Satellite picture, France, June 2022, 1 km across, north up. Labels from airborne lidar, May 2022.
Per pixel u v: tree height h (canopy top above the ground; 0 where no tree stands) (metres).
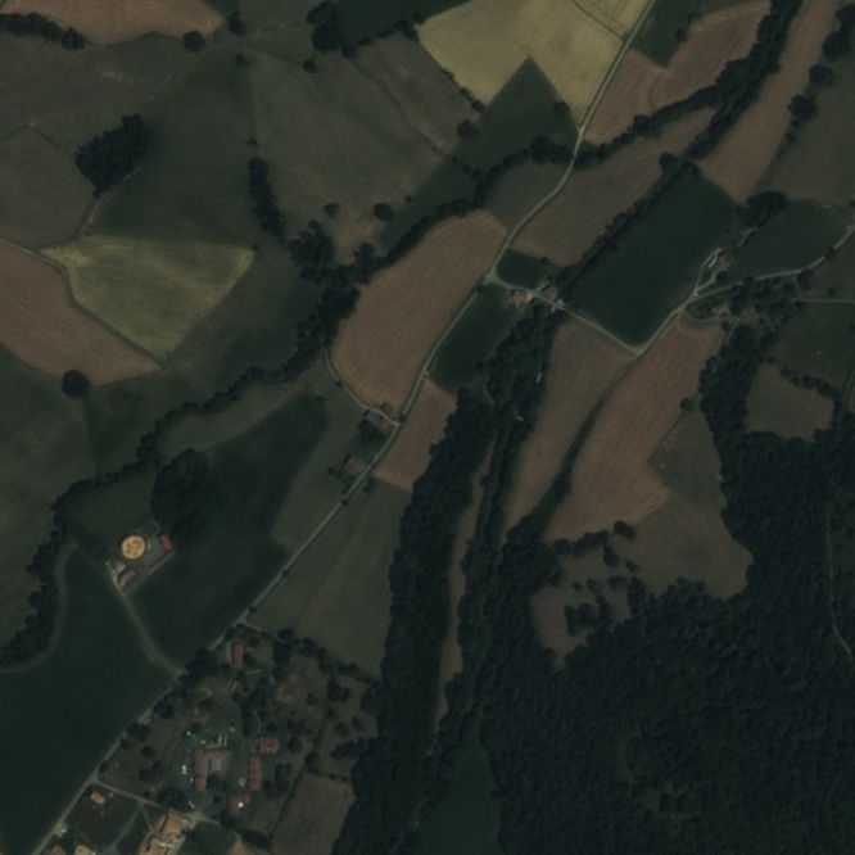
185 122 0
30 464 0
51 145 0
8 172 0
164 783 0
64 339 0
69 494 10
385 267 9
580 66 0
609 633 17
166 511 12
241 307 0
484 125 0
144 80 0
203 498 13
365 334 0
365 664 0
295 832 0
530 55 0
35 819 0
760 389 0
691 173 21
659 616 17
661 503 0
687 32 9
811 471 14
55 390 0
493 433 16
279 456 0
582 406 0
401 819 16
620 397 0
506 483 20
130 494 0
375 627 0
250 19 0
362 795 21
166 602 0
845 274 0
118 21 0
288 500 0
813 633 17
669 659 19
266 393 0
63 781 0
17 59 0
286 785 16
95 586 0
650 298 0
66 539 10
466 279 0
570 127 0
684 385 0
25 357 0
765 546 23
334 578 0
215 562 0
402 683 20
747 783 20
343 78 0
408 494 0
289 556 0
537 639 10
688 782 14
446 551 21
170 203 0
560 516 0
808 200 0
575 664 15
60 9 0
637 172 0
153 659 0
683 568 0
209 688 0
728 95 11
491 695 22
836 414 9
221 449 0
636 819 15
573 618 15
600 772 11
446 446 19
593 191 0
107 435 0
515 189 0
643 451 0
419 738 24
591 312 0
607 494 0
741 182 0
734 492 19
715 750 12
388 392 0
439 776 24
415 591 21
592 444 0
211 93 0
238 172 0
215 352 0
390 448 0
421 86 0
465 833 0
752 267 0
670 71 0
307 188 0
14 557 0
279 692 0
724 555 0
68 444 0
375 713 20
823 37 0
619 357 0
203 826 0
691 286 0
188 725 0
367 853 22
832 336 0
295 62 0
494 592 24
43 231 0
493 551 14
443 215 9
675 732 22
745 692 27
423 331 0
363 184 0
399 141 0
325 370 0
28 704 0
